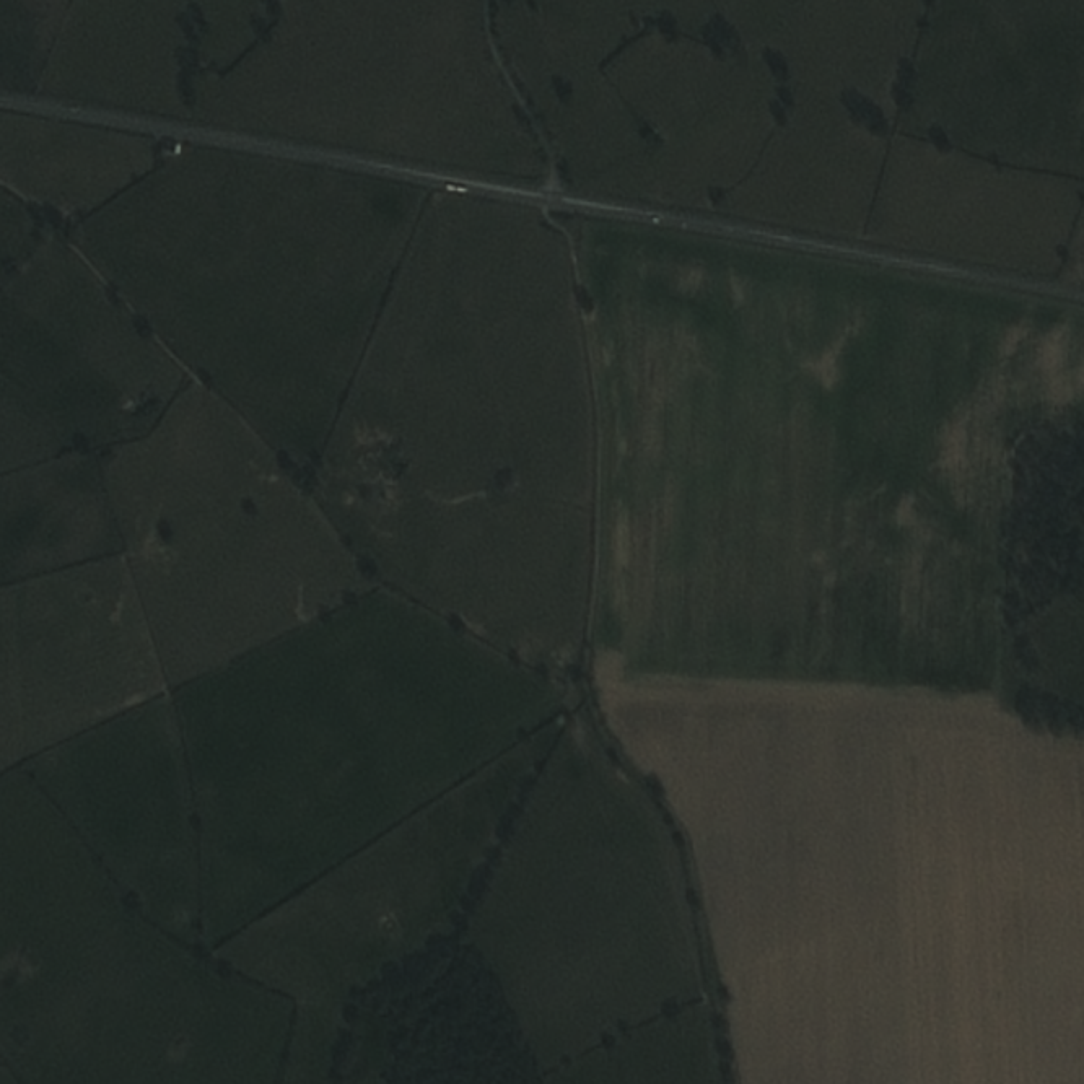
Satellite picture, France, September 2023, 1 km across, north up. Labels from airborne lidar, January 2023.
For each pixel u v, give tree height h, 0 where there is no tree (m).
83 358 0
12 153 0
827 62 0
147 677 0
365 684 0
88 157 0
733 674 0
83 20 0
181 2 0
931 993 0
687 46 0
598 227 0
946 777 0
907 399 0
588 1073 0
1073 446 17
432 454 0
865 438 0
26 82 0
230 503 0
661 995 0
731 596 0
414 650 0
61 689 0
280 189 0
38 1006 0
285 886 0
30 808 0
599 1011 0
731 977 0
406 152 0
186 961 0
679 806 0
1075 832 0
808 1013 0
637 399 0
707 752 0
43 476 0
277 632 0
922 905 0
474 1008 7
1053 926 0
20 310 0
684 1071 0
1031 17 0
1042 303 0
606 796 0
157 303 0
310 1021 0
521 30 0
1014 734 0
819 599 0
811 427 0
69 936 0
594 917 0
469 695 0
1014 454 12
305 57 0
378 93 0
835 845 0
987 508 0
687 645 0
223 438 0
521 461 0
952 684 0
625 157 0
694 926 0
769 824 0
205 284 0
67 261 0
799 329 0
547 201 0
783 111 11
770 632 0
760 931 0
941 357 0
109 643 0
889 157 0
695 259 0
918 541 0
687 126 0
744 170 0
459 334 0
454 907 0
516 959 0
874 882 0
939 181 0
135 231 0
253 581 0
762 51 0
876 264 0
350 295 0
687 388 0
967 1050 0
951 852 0
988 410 0
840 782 0
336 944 0
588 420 0
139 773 0
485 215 0
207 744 0
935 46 0
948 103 0
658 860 0
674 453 0
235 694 0
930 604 0
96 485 0
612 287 0
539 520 0
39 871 0
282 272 0
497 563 0
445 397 0
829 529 0
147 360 0
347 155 0
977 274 0
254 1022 0
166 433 0
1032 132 0
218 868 0
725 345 0
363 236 0
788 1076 0
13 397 0
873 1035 0
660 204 0
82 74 0
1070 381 0
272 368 0
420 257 0
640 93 0
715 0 0
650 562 0
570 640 0
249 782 0
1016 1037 0
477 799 0
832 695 0
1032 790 0
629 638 0
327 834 0
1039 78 0
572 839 0
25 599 0
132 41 0
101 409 0
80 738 0
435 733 0
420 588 0
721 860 0
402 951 0
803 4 0
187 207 0
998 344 0
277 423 0
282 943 0
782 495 0
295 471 13
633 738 0
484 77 0
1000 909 0
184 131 0
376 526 0
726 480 0
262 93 0
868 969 0
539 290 0
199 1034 0
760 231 0
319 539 0
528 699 0
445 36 0
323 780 0
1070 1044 0
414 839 0
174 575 0
